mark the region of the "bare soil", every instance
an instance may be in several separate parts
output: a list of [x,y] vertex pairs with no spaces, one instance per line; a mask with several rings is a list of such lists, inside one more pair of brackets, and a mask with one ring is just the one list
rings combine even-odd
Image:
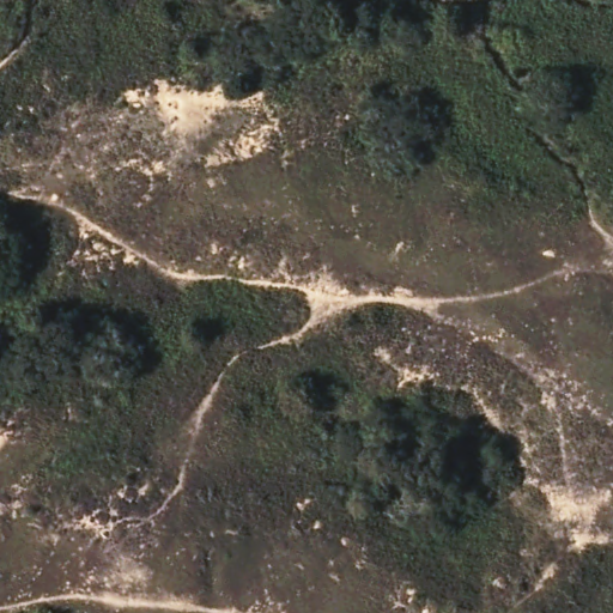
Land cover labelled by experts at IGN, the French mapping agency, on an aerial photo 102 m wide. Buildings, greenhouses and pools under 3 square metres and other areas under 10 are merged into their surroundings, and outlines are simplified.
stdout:
[[271,596],[271,589],[263,589],[263,601],[254,601],[254,606],[249,608],[254,613],[285,613],[283,603]]
[[12,445],[26,445],[26,441],[31,438],[31,426],[12,431],[14,419],[2,417],[2,409],[0,409],[0,448],[7,441]]
[[572,539],[577,522],[553,520],[546,496],[539,488],[524,484],[520,486],[510,493],[512,508],[524,520],[546,527],[553,539]]
[[608,541],[613,539],[613,503],[601,505],[591,522],[591,534],[608,534]]
[[388,601],[393,603],[393,608],[402,608],[405,613],[414,613],[414,589],[400,587],[395,589],[395,594],[390,594]]

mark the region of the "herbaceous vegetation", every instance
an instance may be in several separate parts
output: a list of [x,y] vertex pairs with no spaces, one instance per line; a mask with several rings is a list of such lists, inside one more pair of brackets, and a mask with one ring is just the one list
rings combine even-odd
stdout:
[[311,103],[304,103],[302,96],[295,96],[290,105],[280,105],[280,129],[273,132],[266,141],[266,148],[251,158],[223,165],[180,160],[170,180],[165,175],[146,177],[144,172],[132,168],[122,172],[105,170],[91,182],[69,182],[69,201],[79,211],[84,211],[84,216],[93,223],[129,239],[134,249],[153,254],[160,261],[175,263],[180,271],[223,273],[227,259],[239,254],[256,266],[261,278],[268,278],[278,268],[280,259],[287,259],[287,271],[292,275],[307,275],[321,271],[321,266],[328,266],[333,280],[347,287],[352,295],[366,295],[371,290],[390,295],[395,287],[405,287],[412,290],[417,297],[450,297],[522,285],[524,292],[515,297],[474,304],[443,304],[438,307],[438,311],[453,318],[496,316],[496,321],[508,333],[517,335],[527,345],[527,352],[534,352],[534,357],[546,369],[572,374],[579,381],[577,397],[587,395],[596,407],[601,407],[596,419],[584,409],[560,409],[563,429],[568,436],[568,453],[587,457],[584,462],[575,462],[572,472],[587,467],[589,472],[603,474],[603,479],[613,484],[613,275],[608,275],[608,268],[603,266],[608,247],[589,225],[587,213],[596,211],[599,220],[613,235],[613,79],[603,79],[599,84],[589,113],[579,113],[572,125],[563,125],[560,117],[568,108],[565,89],[570,84],[563,84],[558,77],[548,77],[544,67],[599,62],[601,67],[608,65],[613,69],[613,0],[491,0],[488,26],[477,26],[469,36],[460,38],[455,34],[455,22],[450,19],[448,10],[436,7],[429,22],[433,38],[424,50],[426,69],[436,89],[453,103],[453,117],[462,139],[462,148],[453,156],[441,151],[419,177],[409,172],[405,177],[397,177],[395,182],[378,182],[369,175],[366,156],[354,156],[352,148],[342,144],[342,129],[335,127],[335,117],[321,117]]
[[67,603],[72,613],[113,613],[115,608],[105,603]]
[[[17,484],[19,474],[34,474],[34,491],[26,491],[29,500],[24,505],[48,529],[55,524],[57,505],[72,500],[74,505],[81,505],[86,512],[91,512],[105,508],[108,493],[113,491],[117,491],[117,498],[122,498],[117,505],[120,515],[148,515],[156,505],[160,505],[163,491],[177,484],[177,472],[182,465],[189,469],[184,491],[177,498],[172,498],[168,512],[160,517],[165,522],[165,532],[158,548],[146,546],[144,570],[158,572],[170,596],[192,599],[194,603],[213,608],[249,608],[254,606],[254,601],[263,601],[263,589],[271,589],[271,596],[283,603],[285,613],[405,613],[402,608],[393,608],[393,603],[388,601],[390,594],[395,594],[395,589],[400,587],[414,589],[414,613],[613,613],[613,539],[608,541],[601,546],[589,544],[582,551],[577,551],[572,539],[553,539],[546,527],[524,520],[512,508],[510,493],[520,486],[508,479],[508,467],[503,465],[500,450],[484,445],[481,460],[486,467],[481,472],[481,479],[488,488],[496,488],[498,496],[496,505],[488,512],[488,522],[455,532],[448,529],[445,541],[436,548],[433,544],[419,546],[409,539],[407,529],[419,520],[421,512],[429,510],[429,500],[414,500],[409,491],[402,491],[388,510],[364,508],[364,517],[352,517],[347,512],[350,484],[345,481],[345,474],[335,472],[333,465],[333,433],[316,424],[311,414],[304,421],[292,421],[287,414],[283,414],[278,407],[275,386],[278,381],[292,383],[292,378],[302,371],[321,371],[340,376],[350,386],[350,390],[362,386],[371,395],[371,400],[400,397],[400,388],[397,371],[388,369],[386,362],[376,357],[378,347],[386,347],[402,369],[424,364],[431,371],[438,371],[438,378],[431,381],[433,388],[462,390],[465,383],[486,388],[491,390],[488,405],[493,409],[515,412],[520,407],[520,397],[524,402],[536,402],[541,397],[541,388],[532,376],[520,371],[520,366],[512,359],[498,357],[488,342],[472,342],[467,333],[433,321],[426,311],[417,311],[400,304],[362,304],[357,309],[345,309],[326,318],[302,342],[259,350],[259,342],[268,342],[285,333],[292,333],[309,318],[311,307],[302,292],[251,287],[227,280],[175,283],[148,268],[146,263],[125,263],[122,254],[115,256],[115,271],[108,268],[105,261],[81,261],[77,266],[69,266],[74,249],[86,249],[79,237],[77,220],[48,204],[12,199],[10,194],[0,192],[0,225],[19,235],[22,295],[34,295],[38,290],[36,278],[50,266],[55,271],[55,285],[48,290],[48,299],[79,297],[89,304],[103,302],[113,304],[115,309],[141,311],[146,314],[163,354],[163,362],[153,374],[132,376],[129,395],[117,393],[115,397],[105,388],[89,388],[84,383],[84,376],[57,378],[31,390],[26,393],[26,397],[14,400],[2,409],[2,417],[14,419],[12,431],[31,426],[31,438],[26,441],[26,445],[12,445],[7,441],[0,448],[0,503],[12,503],[12,484]],[[223,321],[225,338],[218,338],[213,342],[199,342],[194,338],[194,323],[199,318]],[[201,433],[189,436],[187,424],[192,421],[196,407],[206,397],[211,383],[220,383],[218,397],[204,417]]]
[[24,524],[14,529],[10,515],[0,515],[0,603],[26,601],[41,594],[62,594],[65,579],[60,568],[50,563],[41,568],[43,575],[38,579],[31,575],[31,565],[38,565],[41,556],[34,553],[36,541],[31,539],[31,529]]

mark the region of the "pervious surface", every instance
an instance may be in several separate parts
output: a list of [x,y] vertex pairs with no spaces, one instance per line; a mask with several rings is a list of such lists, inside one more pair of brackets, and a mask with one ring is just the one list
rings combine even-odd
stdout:
[[613,235],[599,220],[596,211],[587,213],[589,225],[608,247],[603,266],[608,268],[608,275],[613,275]]
[[376,357],[386,362],[388,369],[397,371],[400,388],[405,388],[407,383],[431,381],[438,378],[438,371],[431,371],[424,364],[402,369],[386,347],[378,347]]
[[220,383],[211,383],[206,397],[196,407],[192,421],[187,424],[189,436],[201,433],[204,417],[218,397]]
[[105,603],[115,608],[113,613],[254,613],[249,608],[213,608],[194,603],[192,599],[170,596],[158,572],[144,570],[146,546],[158,548],[165,532],[165,522],[160,517],[168,512],[172,498],[177,498],[184,491],[189,469],[182,465],[177,472],[177,484],[163,491],[160,505],[156,505],[148,515],[120,515],[117,505],[122,498],[117,498],[117,491],[113,491],[108,493],[105,508],[91,512],[86,512],[81,505],[74,505],[72,500],[57,505],[55,524],[48,529],[24,505],[29,500],[26,491],[34,491],[34,474],[19,474],[17,484],[12,484],[12,503],[0,503],[0,515],[10,515],[14,529],[24,524],[31,529],[31,539],[36,541],[34,553],[41,556],[38,565],[31,565],[31,575],[38,579],[43,575],[41,568],[50,563],[60,568],[65,579],[62,594],[41,594],[26,601],[0,603],[0,613],[17,613],[41,603],[67,603]]
[[589,472],[587,467],[572,472],[575,462],[584,462],[587,457],[568,453],[568,436],[563,429],[560,409],[584,409],[596,419],[601,407],[596,407],[587,395],[577,397],[579,381],[572,374],[546,369],[534,357],[534,352],[527,352],[527,345],[517,335],[508,333],[496,321],[496,316],[453,318],[438,311],[438,307],[443,304],[474,304],[515,297],[524,292],[522,285],[450,297],[417,297],[412,290],[405,287],[395,287],[390,295],[371,290],[366,295],[352,295],[347,287],[333,280],[328,266],[321,266],[321,271],[307,275],[292,275],[287,271],[287,259],[280,259],[278,268],[268,278],[261,278],[256,266],[239,254],[227,259],[223,273],[180,271],[175,263],[160,261],[153,254],[134,249],[129,239],[93,223],[84,216],[84,211],[79,211],[69,201],[69,182],[91,182],[105,170],[122,172],[132,168],[144,172],[146,177],[165,175],[170,180],[180,160],[223,165],[251,158],[266,148],[266,141],[273,132],[280,129],[280,105],[266,103],[261,91],[247,98],[225,98],[220,86],[213,86],[211,91],[187,91],[184,86],[170,86],[165,79],[158,79],[148,89],[132,89],[122,93],[113,101],[110,110],[89,98],[65,110],[57,110],[55,117],[48,117],[41,125],[45,129],[60,129],[60,134],[36,134],[34,144],[38,146],[38,156],[34,160],[26,156],[26,148],[14,144],[14,134],[0,136],[0,192],[10,194],[12,199],[48,204],[77,220],[79,237],[86,249],[74,249],[69,266],[77,266],[81,261],[105,261],[108,268],[115,271],[115,256],[122,254],[125,263],[146,263],[148,268],[175,283],[227,280],[251,287],[302,292],[311,307],[309,318],[292,333],[285,333],[268,342],[259,342],[259,350],[302,342],[326,318],[345,309],[357,309],[362,304],[400,304],[417,311],[426,311],[433,321],[467,333],[472,342],[488,342],[498,357],[512,359],[520,366],[520,371],[532,376],[541,388],[541,397],[536,402],[524,402],[520,397],[520,407],[515,412],[493,409],[488,405],[491,390],[486,388],[465,383],[462,390],[472,395],[477,409],[488,419],[491,426],[508,436],[517,436],[522,448],[520,465],[524,469],[524,484],[539,488],[546,496],[553,520],[577,522],[572,539],[577,551],[582,551],[589,544],[601,546],[608,541],[608,534],[591,534],[591,522],[601,505],[613,503],[613,484],[603,479],[603,474]]

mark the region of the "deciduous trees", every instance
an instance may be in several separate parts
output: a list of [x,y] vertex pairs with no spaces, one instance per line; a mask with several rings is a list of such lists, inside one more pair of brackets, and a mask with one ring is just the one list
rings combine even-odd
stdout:
[[31,390],[57,378],[84,376],[84,383],[89,388],[105,388],[115,397],[117,393],[129,395],[132,376],[153,374],[163,362],[163,354],[146,314],[141,311],[115,309],[113,304],[103,302],[89,304],[79,297],[48,299],[48,290],[55,285],[55,271],[50,266],[36,278],[38,290],[34,295],[22,295],[22,299],[0,302],[0,359],[5,357],[12,366],[24,371]]

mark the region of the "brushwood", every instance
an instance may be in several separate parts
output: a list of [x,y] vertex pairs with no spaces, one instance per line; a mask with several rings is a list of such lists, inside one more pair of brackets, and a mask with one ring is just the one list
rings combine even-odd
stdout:
[[26,397],[26,393],[31,390],[24,371],[12,366],[5,357],[0,359],[0,409],[2,409],[14,400]]
[[599,62],[544,67],[548,77],[558,77],[563,84],[570,84],[565,89],[568,108],[560,117],[563,125],[572,125],[579,113],[589,113],[599,84],[603,79],[613,79],[613,69],[608,65],[601,67]]
[[520,486],[524,484],[524,469],[520,465],[522,448],[517,436],[508,436],[491,426],[488,419],[477,409],[472,395],[462,390],[433,388],[431,381],[407,383],[405,388],[400,388],[400,397],[371,400],[371,395],[362,386],[350,390],[350,386],[340,376],[321,371],[302,371],[292,378],[292,383],[278,381],[275,386],[278,407],[283,414],[287,414],[292,421],[304,421],[311,414],[316,424],[333,433],[333,465],[335,472],[345,474],[345,481],[350,484],[347,512],[352,517],[364,517],[364,508],[388,510],[402,491],[409,491],[414,500],[429,500],[429,510],[421,512],[419,520],[407,529],[409,539],[419,546],[433,544],[436,548],[445,541],[448,529],[455,532],[488,522],[488,512],[496,505],[498,496],[496,488],[488,488],[481,479],[481,472],[486,467],[481,460],[484,445],[500,450],[503,465],[508,467],[508,479]]
[[22,299],[22,295],[19,235],[0,225],[0,302]]
[[220,86],[225,98],[247,98],[261,91],[266,103],[280,105],[290,105],[295,96],[302,96],[304,103],[311,103],[321,117],[335,117],[335,127],[342,129],[342,144],[352,148],[354,156],[366,156],[369,175],[378,182],[395,182],[397,177],[405,177],[409,172],[419,177],[441,151],[453,156],[462,148],[462,139],[453,117],[453,103],[436,89],[426,69],[424,50],[433,38],[429,22],[436,7],[448,10],[450,19],[455,22],[455,34],[460,38],[469,36],[477,26],[488,26],[491,0],[0,0],[0,136],[14,134],[14,144],[26,148],[26,156],[34,160],[38,156],[38,146],[34,144],[36,134],[60,134],[60,129],[45,129],[41,125],[48,117],[55,117],[57,110],[65,110],[89,98],[110,110],[113,101],[122,93],[132,89],[148,89],[158,79],[165,79],[170,86],[184,86],[187,91],[211,91],[213,86]]
[[17,613],[72,613],[67,603],[41,603]]
[[225,338],[223,321],[199,318],[194,323],[194,338],[199,342],[213,342],[218,338]]

